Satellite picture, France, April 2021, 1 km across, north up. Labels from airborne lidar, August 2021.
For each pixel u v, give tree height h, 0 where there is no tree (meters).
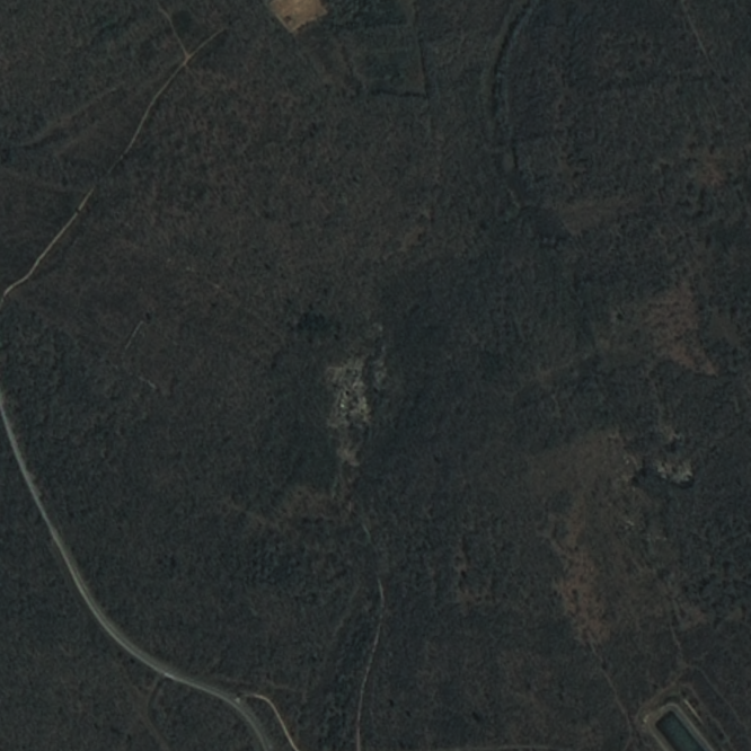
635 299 12
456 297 11
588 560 0
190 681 0
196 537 7
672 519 16
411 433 13
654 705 0
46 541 13
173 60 11
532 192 8
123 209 8
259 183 13
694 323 0
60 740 10
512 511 11
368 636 7
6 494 9
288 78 12
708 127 10
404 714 6
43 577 11
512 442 10
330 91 15
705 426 7
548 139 13
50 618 14
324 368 11
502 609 8
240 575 10
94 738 13
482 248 16
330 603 10
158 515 12
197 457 11
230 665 12
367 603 6
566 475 0
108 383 8
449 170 10
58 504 16
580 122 7
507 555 14
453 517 10
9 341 8
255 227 10
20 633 14
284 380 14
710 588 15
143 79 12
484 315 13
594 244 12
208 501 9
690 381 8
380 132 10
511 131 10
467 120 12
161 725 16
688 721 0
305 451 13
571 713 7
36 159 12
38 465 10
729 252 15
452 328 11
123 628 8
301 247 9
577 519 0
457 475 12
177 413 13
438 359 11
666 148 13
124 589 13
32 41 11
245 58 13
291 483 11
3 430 11
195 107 12
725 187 14
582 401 16
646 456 12
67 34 13
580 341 18
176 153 10
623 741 7
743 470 10
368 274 14
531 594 10
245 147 10
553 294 16
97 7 13
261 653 10
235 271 8
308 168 10
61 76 12
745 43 14
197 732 15
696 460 11
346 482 8
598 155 10
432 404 11
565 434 8
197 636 14
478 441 11
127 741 8
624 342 0
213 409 9
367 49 14
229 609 11
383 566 15
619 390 10
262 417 10
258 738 0
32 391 8
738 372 9
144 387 9
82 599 0
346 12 7
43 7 13
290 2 0
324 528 13
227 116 7
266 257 8
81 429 8
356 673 11
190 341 12
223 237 10
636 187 7
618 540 18
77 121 8
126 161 13
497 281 11
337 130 7
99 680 11
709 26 12
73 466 9
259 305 10
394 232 10
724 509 7
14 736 12
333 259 11
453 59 10
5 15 13
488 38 13
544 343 9
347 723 11
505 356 10
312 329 16
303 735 7
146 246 12
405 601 8
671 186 15
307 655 11
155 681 12
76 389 9
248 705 10
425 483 11
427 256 12
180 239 13
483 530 12
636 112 11
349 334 10
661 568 18
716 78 12
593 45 7
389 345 14
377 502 11
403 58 0
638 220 12
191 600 10
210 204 12
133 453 11
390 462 13
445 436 11
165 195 11
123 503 14
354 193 15
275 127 6
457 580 15
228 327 6
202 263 10
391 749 8
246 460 14
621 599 15
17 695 13
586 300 20
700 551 15
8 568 9
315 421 12
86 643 10
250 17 13
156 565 11
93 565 13
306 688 12
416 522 12
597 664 10
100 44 14
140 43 10
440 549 12
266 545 13
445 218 9
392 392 17
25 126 15
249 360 6
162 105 8
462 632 7
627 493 21
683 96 12
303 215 10
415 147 7
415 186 6
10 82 10
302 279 9
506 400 11
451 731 7
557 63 9
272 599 14
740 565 7
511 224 13
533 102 7
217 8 6
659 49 5
